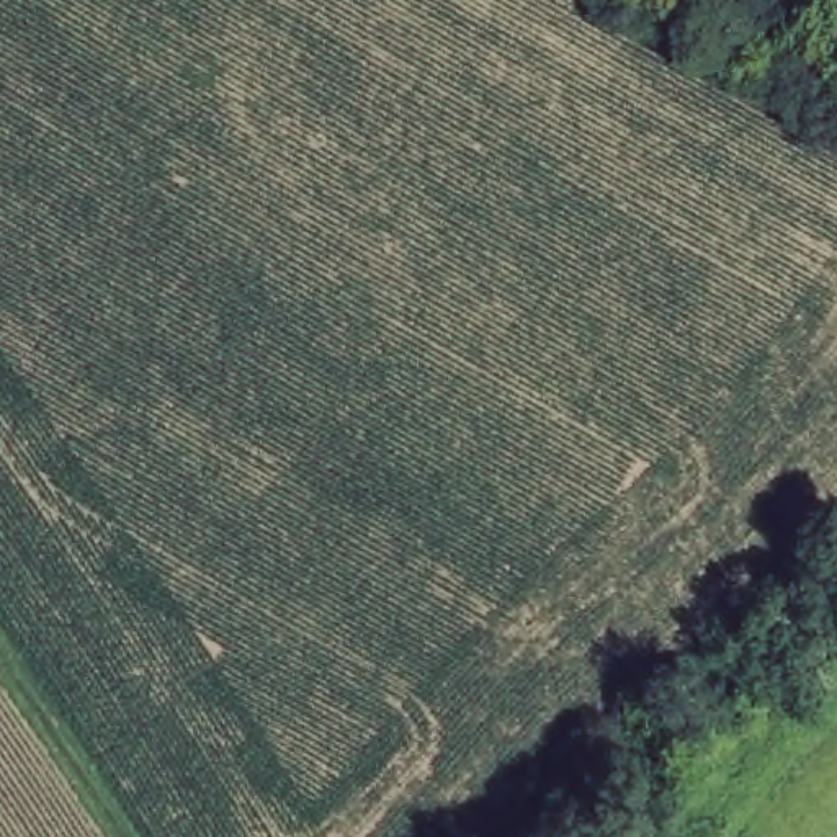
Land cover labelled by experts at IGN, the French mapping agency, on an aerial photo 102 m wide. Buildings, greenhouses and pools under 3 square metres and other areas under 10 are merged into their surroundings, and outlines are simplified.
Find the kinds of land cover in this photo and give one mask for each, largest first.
<instances>
[{"label":"agricultural land","instance_id":"1","mask_svg":"<svg viewBox=\"0 0 837 837\"><path fill-rule=\"evenodd\" d=\"M670 43H638L631 36L602 33L575 13L572 0H0V837H530L536 830L539 811L546 808V762L556 755V739L546 732V726L562 709H569L582 726L618 719L624 713L621 700L634 683L654 677L660 667H674L680 657L700 647V628L716 624L719 618L713 598L736 579V572H749V579L759 585H765L768 579H775L778 585L794 582V549L801 523H808L817 513V500L837 497V154L824 147L811 154L808 147L788 144L781 131L765 118L762 105L706 85L703 72L690 59L670 62ZM736 837H837V732L824 739L778 785V794L765 804L752 827L739 830Z\"/></svg>","mask_w":837,"mask_h":837},{"label":"deciduous trees","instance_id":"2","mask_svg":"<svg viewBox=\"0 0 837 837\"><path fill-rule=\"evenodd\" d=\"M575 13L602 33L631 36L638 43H670V62L690 59L703 72L706 85L762 105L765 118L781 131L788 144L808 147L811 154L824 147L837 154V0H572ZM719 618L716 624L700 628V647L680 657L674 667H660L654 677L634 683L621 700L624 713L618 719L582 726L569 709H562L546 726V732L556 739V755L546 762V808L539 811L536 830L530 837H719L732 814L729 808L716 804L709 814L687 817L683 804L696 794L700 781L706 788L723 785L726 775L719 768V759L726 752H736V729L745 726L752 739H762L768 729V713H785L794 723L814 726L824 739L837 732V497L817 500V513L808 523H801L794 549V582L778 585L775 579H768L765 585H759L749 579V572H736V579L713 598Z\"/></svg>","mask_w":837,"mask_h":837},{"label":"herbaceous vegetation","instance_id":"3","mask_svg":"<svg viewBox=\"0 0 837 837\"><path fill-rule=\"evenodd\" d=\"M736 752H726L719 759V768L726 775L723 785L706 788L700 781L696 794L683 804L687 817L709 814L716 804L729 808L732 814L719 837H736L739 830L752 827L765 804L778 794V785L824 739L814 726L794 723L785 713H768V729L762 739H752L745 726L736 729Z\"/></svg>","mask_w":837,"mask_h":837}]
</instances>
